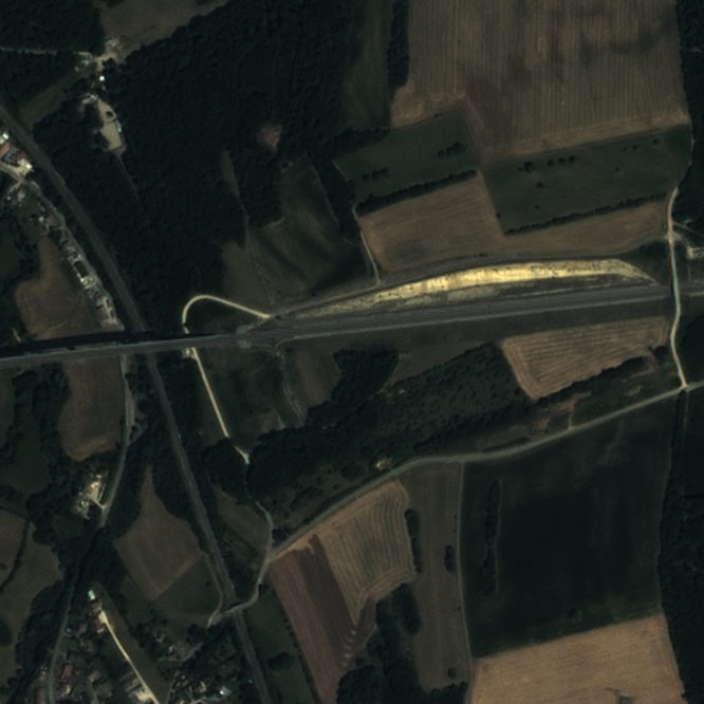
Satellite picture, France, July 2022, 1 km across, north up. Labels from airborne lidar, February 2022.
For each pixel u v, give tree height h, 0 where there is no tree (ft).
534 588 0
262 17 73
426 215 0
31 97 50
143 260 61
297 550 0
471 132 0
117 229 56
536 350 0
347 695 52
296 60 21
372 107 0
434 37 0
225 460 67
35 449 0
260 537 0
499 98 0
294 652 0
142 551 0
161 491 45
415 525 30
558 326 0
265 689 0
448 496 0
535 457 0
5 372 0
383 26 0
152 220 46
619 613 0
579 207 0
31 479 0
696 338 28
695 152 24
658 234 0
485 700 0
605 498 0
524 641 0
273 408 0
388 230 0
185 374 61
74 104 27
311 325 0
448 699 25
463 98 0
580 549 0
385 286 0
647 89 0
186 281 35
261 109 26
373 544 0
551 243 0
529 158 0
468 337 0
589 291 0
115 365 0
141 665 0
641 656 0
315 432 61
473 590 0
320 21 66
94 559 56
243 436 0
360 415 52
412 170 0
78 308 0
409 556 0
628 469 0
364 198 0
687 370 0
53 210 0
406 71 28
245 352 0
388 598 0
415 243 0
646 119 0
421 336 0
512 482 0
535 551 0
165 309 49
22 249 85
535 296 0
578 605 0
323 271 0
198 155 46
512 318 0
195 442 25
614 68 0
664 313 0
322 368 0
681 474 41
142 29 0
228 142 48
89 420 0
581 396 0
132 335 41
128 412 0
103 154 59
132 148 62
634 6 0
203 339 0
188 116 59
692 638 33
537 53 0
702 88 19
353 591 0
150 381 30
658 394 0
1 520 0
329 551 0
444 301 0
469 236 0
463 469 0
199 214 42
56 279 0
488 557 21
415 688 41
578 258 0
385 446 25
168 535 0
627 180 0
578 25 0
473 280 0
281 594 0
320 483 18
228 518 0
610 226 0
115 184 68
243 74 22
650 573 0
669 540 46
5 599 0
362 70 0
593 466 0
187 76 71
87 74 0
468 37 0
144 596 0
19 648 26
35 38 50
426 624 0
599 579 0
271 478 76
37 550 0
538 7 0
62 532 0
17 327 52
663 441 0
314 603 0
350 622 0
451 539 0
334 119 54
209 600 0
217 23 58
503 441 0
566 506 0
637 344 0
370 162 0
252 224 25
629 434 0
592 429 0
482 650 0
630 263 0
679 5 31
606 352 0
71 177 72
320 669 0
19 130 0
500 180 0
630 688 0
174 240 56
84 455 0
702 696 33
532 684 0
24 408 55
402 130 0
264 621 0
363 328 0
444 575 0
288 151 69
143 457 32
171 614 0
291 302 0
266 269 0
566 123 0
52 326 0
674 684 0
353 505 0
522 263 0
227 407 0
